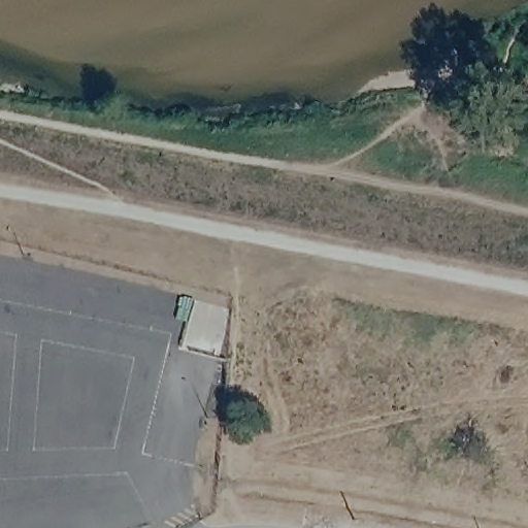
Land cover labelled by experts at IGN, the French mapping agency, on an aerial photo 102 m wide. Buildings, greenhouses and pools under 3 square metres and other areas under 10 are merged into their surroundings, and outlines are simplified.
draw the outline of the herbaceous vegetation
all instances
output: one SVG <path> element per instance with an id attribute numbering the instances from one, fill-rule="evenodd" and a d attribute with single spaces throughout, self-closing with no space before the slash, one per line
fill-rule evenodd
<path id="1" fill-rule="evenodd" d="M 505 142 L 489 149 L 485 146 L 483 136 L 464 138 L 456 128 L 450 126 L 450 122 L 443 116 L 427 109 L 417 126 L 402 126 L 394 136 L 380 142 L 371 153 L 359 157 L 359 167 L 365 173 L 390 179 L 406 179 L 413 184 L 437 184 L 441 188 L 458 188 L 481 196 L 524 204 L 528 208 L 528 140 L 516 136 L 509 126 L 503 126 Z"/>
<path id="2" fill-rule="evenodd" d="M 27 159 L 25 155 L 0 146 L 0 184 L 80 194 L 93 192 L 93 184 L 83 184 L 70 175 L 54 171 L 47 165 Z"/>
<path id="3" fill-rule="evenodd" d="M 433 264 L 468 268 L 507 278 L 522 278 L 528 283 L 528 215 L 518 217 L 454 198 L 382 190 L 375 186 L 351 184 L 336 177 L 289 173 L 281 169 L 243 165 L 177 151 L 161 151 L 105 138 L 89 138 L 83 134 L 0 120 L 0 138 L 25 146 L 72 171 L 78 171 L 107 186 L 113 194 L 122 202 L 146 206 L 153 210 L 177 212 L 206 221 L 250 227 L 256 231 L 276 231 L 320 243 L 369 250 L 413 260 L 427 260 Z"/>
<path id="4" fill-rule="evenodd" d="M 227 359 L 229 365 L 221 365 L 221 384 L 206 398 L 200 417 L 204 427 L 200 431 L 196 458 L 194 462 L 190 462 L 190 503 L 194 505 L 196 514 L 200 514 L 202 524 L 208 528 L 316 528 L 340 524 L 347 516 L 349 520 L 359 524 L 377 522 L 402 528 L 528 528 L 528 293 L 514 295 L 495 289 L 481 289 L 462 283 L 419 276 L 410 272 L 365 266 L 359 262 L 330 260 L 248 241 L 208 237 L 134 219 L 0 198 L 0 256 L 23 258 L 25 254 L 29 254 L 35 262 L 41 264 L 54 264 L 109 278 L 122 278 L 142 287 L 155 287 L 167 293 L 188 293 L 194 297 L 194 303 L 204 301 L 227 307 L 221 359 Z M 235 443 L 221 429 L 219 423 L 229 419 L 231 402 L 254 402 L 254 398 L 258 398 L 270 415 L 272 427 L 268 433 L 256 435 L 250 443 Z M 466 458 L 456 458 L 460 450 L 450 441 L 450 435 L 456 431 L 456 427 L 474 427 L 476 433 L 483 433 L 487 437 L 487 443 L 493 450 L 493 454 L 481 464 L 474 464 Z"/>
<path id="5" fill-rule="evenodd" d="M 307 151 L 299 149 L 289 161 L 324 163 L 342 157 L 336 149 L 330 151 L 328 146 L 309 146 Z"/>

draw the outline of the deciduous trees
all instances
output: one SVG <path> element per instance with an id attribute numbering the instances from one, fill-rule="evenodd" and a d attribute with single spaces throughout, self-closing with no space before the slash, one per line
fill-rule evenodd
<path id="1" fill-rule="evenodd" d="M 229 419 L 219 423 L 221 429 L 235 443 L 250 443 L 256 435 L 268 433 L 272 427 L 270 415 L 258 398 L 254 398 L 254 402 L 231 402 Z"/>
<path id="2" fill-rule="evenodd" d="M 427 109 L 443 116 L 450 122 L 450 126 L 456 128 L 464 138 L 483 136 L 485 146 L 489 149 L 505 142 L 503 126 L 509 126 L 516 136 L 528 140 L 528 80 L 522 78 L 522 72 L 518 72 L 516 66 L 501 62 L 495 50 L 491 47 L 476 60 L 476 64 L 470 64 L 466 68 L 468 74 L 462 80 L 458 80 L 441 101 L 435 101 L 433 95 L 427 93 L 427 105 Z"/>
<path id="3" fill-rule="evenodd" d="M 357 151 L 363 142 L 380 134 L 382 130 L 375 124 L 367 126 L 369 113 L 355 111 L 344 116 L 342 111 L 330 107 L 314 103 L 299 118 L 285 113 L 264 113 L 258 118 L 237 118 L 231 124 L 227 124 L 221 118 L 200 116 L 196 111 L 179 111 L 171 116 L 142 113 L 130 107 L 130 97 L 126 95 L 113 95 L 109 99 L 101 99 L 89 105 L 66 101 L 54 103 L 52 120 L 122 134 L 182 142 L 221 153 L 289 161 L 299 149 L 307 151 L 309 146 L 328 146 L 330 151 L 336 149 L 342 157 Z"/>

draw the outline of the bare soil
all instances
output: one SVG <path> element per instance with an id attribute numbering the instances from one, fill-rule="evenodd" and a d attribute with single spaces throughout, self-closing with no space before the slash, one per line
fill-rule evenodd
<path id="1" fill-rule="evenodd" d="M 367 93 L 375 89 L 398 89 L 415 85 L 417 91 L 425 89 L 427 93 L 433 95 L 435 101 L 441 101 L 458 80 L 462 80 L 468 74 L 466 68 L 462 64 L 458 64 L 454 70 L 441 68 L 439 72 L 425 68 L 417 70 L 413 76 L 410 70 L 390 72 L 386 76 L 377 76 L 365 83 L 357 91 Z"/>

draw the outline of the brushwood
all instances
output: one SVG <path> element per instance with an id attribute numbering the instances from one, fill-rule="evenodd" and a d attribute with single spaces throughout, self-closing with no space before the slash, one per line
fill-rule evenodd
<path id="1" fill-rule="evenodd" d="M 54 103 L 52 95 L 37 93 L 31 89 L 23 89 L 21 93 L 0 91 L 0 109 L 52 120 Z"/>
<path id="2" fill-rule="evenodd" d="M 388 124 L 396 122 L 406 109 L 427 105 L 427 93 L 425 89 L 417 91 L 415 85 L 398 89 L 375 89 L 367 93 L 357 91 L 353 91 L 351 97 L 344 97 L 342 101 L 336 101 L 330 107 L 342 111 L 344 116 L 355 111 L 369 113 L 367 126 L 375 124 L 382 130 Z"/>
<path id="3" fill-rule="evenodd" d="M 501 62 L 516 66 L 518 72 L 522 72 L 522 78 L 528 80 L 528 6 L 522 4 L 509 10 L 505 17 L 485 23 L 485 41 L 491 47 L 495 50 Z"/>
<path id="4" fill-rule="evenodd" d="M 474 464 L 481 464 L 493 454 L 493 450 L 487 443 L 487 437 L 483 433 L 476 433 L 474 427 L 456 427 L 456 431 L 450 435 L 450 441 L 460 450 L 456 458 L 466 458 Z"/>

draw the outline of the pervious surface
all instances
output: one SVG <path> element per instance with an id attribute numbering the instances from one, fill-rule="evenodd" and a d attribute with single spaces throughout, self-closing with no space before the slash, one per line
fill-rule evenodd
<path id="1" fill-rule="evenodd" d="M 347 516 L 340 524 L 316 528 L 402 528 L 377 522 L 359 524 L 349 520 Z"/>
<path id="2" fill-rule="evenodd" d="M 336 177 L 351 184 L 375 186 L 382 190 L 454 198 L 518 217 L 528 215 L 528 208 L 524 204 L 481 196 L 458 188 L 441 188 L 437 184 L 413 184 L 406 179 L 390 179 L 365 173 L 359 167 L 359 157 L 371 153 L 380 142 L 394 136 L 402 126 L 417 126 L 427 109 L 427 105 L 406 109 L 396 122 L 388 124 L 382 130 L 380 134 L 363 142 L 357 151 L 342 157 L 324 163 L 289 161 L 221 153 L 182 142 L 122 134 L 52 120 L 0 109 L 0 120 L 83 134 L 89 138 L 105 138 L 161 151 L 177 151 L 243 165 L 281 169 L 289 173 Z"/>
<path id="3" fill-rule="evenodd" d="M 93 184 L 93 192 L 80 194 L 101 200 L 111 198 L 113 194 L 107 186 L 78 171 L 72 171 L 25 146 L 0 138 L 0 146 L 25 155 L 27 159 L 47 165 L 54 171 L 70 175 L 83 184 Z"/>

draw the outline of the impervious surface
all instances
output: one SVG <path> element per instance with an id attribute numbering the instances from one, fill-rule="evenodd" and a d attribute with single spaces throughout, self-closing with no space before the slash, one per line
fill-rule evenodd
<path id="1" fill-rule="evenodd" d="M 206 398 L 221 384 L 221 365 L 229 365 L 227 359 L 221 359 L 227 307 L 204 301 L 194 303 L 194 297 L 188 293 L 167 293 L 155 287 L 142 287 L 122 278 L 109 278 L 54 264 L 41 264 L 35 262 L 29 254 L 25 254 L 23 258 L 0 256 L 0 528 L 208 528 L 202 524 L 200 514 L 196 514 L 194 505 L 190 503 L 190 462 L 194 462 L 196 458 L 200 431 L 204 427 L 200 417 Z"/>
<path id="2" fill-rule="evenodd" d="M 433 264 L 427 260 L 413 260 L 369 250 L 320 243 L 276 231 L 256 231 L 250 227 L 206 221 L 177 212 L 153 210 L 146 206 L 122 202 L 113 194 L 111 198 L 101 200 L 80 194 L 0 184 L 0 198 L 134 219 L 208 237 L 248 241 L 330 260 L 359 262 L 365 266 L 410 272 L 419 276 L 462 283 L 481 289 L 495 289 L 514 295 L 528 293 L 528 283 L 522 278 L 507 278 L 468 268 Z"/>

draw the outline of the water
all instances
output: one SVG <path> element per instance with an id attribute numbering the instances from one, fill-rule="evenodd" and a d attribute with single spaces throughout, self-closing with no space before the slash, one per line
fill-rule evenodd
<path id="1" fill-rule="evenodd" d="M 264 113 L 285 113 L 299 118 L 314 103 L 330 107 L 336 101 L 342 101 L 344 97 L 351 97 L 353 91 L 357 91 L 365 83 L 377 76 L 386 76 L 390 72 L 410 70 L 413 76 L 417 70 L 425 68 L 439 72 L 441 68 L 454 70 L 458 64 L 462 64 L 466 68 L 470 64 L 476 64 L 476 60 L 491 47 L 485 41 L 485 23 L 505 17 L 509 10 L 522 4 L 528 6 L 528 0 L 0 0 L 0 91 L 21 93 L 23 89 L 31 89 L 37 93 L 52 95 L 54 103 L 66 101 L 89 105 L 101 99 L 109 99 L 113 95 L 126 95 L 130 97 L 130 107 L 142 113 L 171 116 L 179 111 L 196 111 L 200 116 L 221 118 L 227 124 L 231 124 L 237 118 L 258 118 Z"/>

